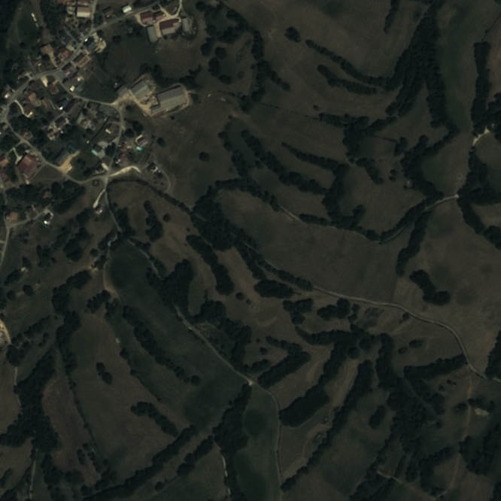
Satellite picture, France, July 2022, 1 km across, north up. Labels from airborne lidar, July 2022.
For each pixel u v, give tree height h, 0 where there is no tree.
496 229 17
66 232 8
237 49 0
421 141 15
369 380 18
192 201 0
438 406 19
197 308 0
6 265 0
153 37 0
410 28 0
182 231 0
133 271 0
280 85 18
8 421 0
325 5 0
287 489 13
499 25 0
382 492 9
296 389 0
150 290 0
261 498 0
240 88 0
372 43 0
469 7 0
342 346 16
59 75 0
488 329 0
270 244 0
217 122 0
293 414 18
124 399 0
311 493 0
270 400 0
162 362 18
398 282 0
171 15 0
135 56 0
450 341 0
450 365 17
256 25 0
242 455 0
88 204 0
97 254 12
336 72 0
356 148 9
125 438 0
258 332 0
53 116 7
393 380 28
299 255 0
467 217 16
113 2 0
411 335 0
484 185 15
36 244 0
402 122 0
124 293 0
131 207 0
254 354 0
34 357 0
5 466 0
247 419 0
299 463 0
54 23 8
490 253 0
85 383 0
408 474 10
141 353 0
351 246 0
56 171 0
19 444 16
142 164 0
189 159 0
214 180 0
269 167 16
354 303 0
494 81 0
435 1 10
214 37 9
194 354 0
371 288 0
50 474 16
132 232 13
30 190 19
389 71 0
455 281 0
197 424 0
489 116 16
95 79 0
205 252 17
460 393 0
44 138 11
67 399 0
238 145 0
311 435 0
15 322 0
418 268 0
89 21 8
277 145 0
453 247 0
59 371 0
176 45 0
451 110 0
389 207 0
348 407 18
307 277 0
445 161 0
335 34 0
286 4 0
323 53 15
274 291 14
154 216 9
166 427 14
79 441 0
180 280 18
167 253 0
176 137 0
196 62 0
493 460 11
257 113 0
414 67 14
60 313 16
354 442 0
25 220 0
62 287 11
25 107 0
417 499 0
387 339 19
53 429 18
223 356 13
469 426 0
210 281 0
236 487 15
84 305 0
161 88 0
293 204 0
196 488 0
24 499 0
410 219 17
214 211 20
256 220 0
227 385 0
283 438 0
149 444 0
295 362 16
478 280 0
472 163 18
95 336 0
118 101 0
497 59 0
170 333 0
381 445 0
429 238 0
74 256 17
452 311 0
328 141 0
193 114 0
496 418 0
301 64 0
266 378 14
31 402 16
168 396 0
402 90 10
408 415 15
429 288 18
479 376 7
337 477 0
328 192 12
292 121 0
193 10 0
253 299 0
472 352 0
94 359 0
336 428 14
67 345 13
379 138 0
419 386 18
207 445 16
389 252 0
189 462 18
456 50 0
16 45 0
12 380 0
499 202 12
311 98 0
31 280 0
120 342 0
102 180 0
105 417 0
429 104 12
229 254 0
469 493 0
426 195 12
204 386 0
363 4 0
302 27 0
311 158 11
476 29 0
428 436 0
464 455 17
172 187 0
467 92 0
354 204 0
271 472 0
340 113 0
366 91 8
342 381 0
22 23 0
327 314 19
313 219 15
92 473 0
